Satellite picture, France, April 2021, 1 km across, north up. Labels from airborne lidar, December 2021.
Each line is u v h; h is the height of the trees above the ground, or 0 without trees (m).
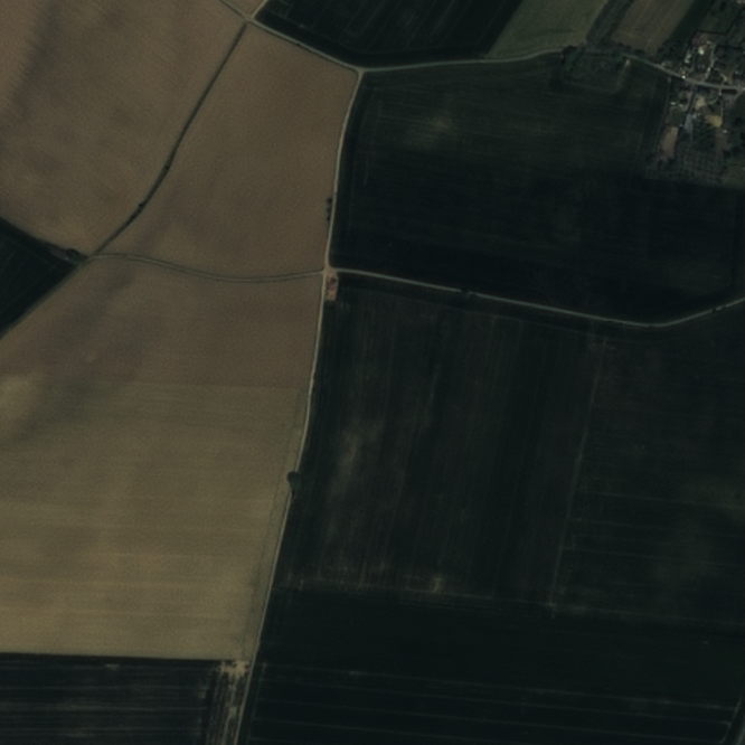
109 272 0
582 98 0
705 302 0
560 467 0
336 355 0
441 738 0
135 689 0
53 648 0
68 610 0
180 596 0
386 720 0
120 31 0
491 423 0
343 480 0
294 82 0
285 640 0
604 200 0
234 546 0
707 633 0
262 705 0
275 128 0
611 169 0
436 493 0
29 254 0
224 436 0
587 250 0
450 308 0
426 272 0
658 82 0
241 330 0
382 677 0
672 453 0
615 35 0
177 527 0
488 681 0
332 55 0
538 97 0
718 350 0
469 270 0
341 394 0
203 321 0
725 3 7
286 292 0
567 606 0
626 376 0
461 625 0
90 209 0
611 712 0
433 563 0
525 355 0
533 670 0
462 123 0
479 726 0
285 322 0
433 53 0
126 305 0
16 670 0
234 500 0
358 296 0
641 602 0
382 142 0
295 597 0
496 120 0
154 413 0
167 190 0
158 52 0
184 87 0
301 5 0
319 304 0
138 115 0
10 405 0
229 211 0
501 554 0
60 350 0
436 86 0
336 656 0
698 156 11
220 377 0
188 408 0
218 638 0
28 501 0
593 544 0
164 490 0
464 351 0
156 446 0
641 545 0
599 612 0
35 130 0
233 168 0
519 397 0
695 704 0
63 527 0
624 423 0
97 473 0
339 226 0
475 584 0
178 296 0
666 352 0
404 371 0
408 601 0
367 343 0
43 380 0
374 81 0
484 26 0
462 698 0
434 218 0
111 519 0
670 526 0
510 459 0
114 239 0
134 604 0
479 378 0
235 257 0
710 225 0
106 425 0
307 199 0
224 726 0
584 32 0
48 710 0
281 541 0
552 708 0
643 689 0
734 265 0
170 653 0
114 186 0
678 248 0
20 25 0
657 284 0
